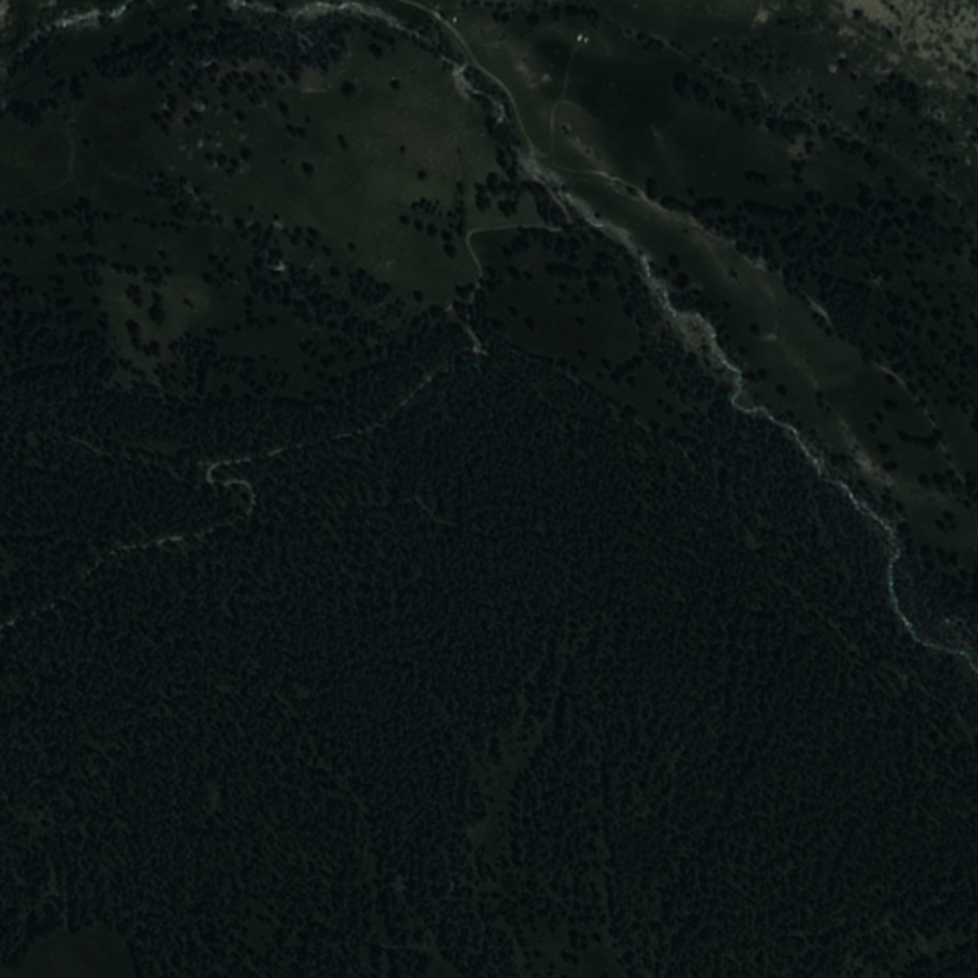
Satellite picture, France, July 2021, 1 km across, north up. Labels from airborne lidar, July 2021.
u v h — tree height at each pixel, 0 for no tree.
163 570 17
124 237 0
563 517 20
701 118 0
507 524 16
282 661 19
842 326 15
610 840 15
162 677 20
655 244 0
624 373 17
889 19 0
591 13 16
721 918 21
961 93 0
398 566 16
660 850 13
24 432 16
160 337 0
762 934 21
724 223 13
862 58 0
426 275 0
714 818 10
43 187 0
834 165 0
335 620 18
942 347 17
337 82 0
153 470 8
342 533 20
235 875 22
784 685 16
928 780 20
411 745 21
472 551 19
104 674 21
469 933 13
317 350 8
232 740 22
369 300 15
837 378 0
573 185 0
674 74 0
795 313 0
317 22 6
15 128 0
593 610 21
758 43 9
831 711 22
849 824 19
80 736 21
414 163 0
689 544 15
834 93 0
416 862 18
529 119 0
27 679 16
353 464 17
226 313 0
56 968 0
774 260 12
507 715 18
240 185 0
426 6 0
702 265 0
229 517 22
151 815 22
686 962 22
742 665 22
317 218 0
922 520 0
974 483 19
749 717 21
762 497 17
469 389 12
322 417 22
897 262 0
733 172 0
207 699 18
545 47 0
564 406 23
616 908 16
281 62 17
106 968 0
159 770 22
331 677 22
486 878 11
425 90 0
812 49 0
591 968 0
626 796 6
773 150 0
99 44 0
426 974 24
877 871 17
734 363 7
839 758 22
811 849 17
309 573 18
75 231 0
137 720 18
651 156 0
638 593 19
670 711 19
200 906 12
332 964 23
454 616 22
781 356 0
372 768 19
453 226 9
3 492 19
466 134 0
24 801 27
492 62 0
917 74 0
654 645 17
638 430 16
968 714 20
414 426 14
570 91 0
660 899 7
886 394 0
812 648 16
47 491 19
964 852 28
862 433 0
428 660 21
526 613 15
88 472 20
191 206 11
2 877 20
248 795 16
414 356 20
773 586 21
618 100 0
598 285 20
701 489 18
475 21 0
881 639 14
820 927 22
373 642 21
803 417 0
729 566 27
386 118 0
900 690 11
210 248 0
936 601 9
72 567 18
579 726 21
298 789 24
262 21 10
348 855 22
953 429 0
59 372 10
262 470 16
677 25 0
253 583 19
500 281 19
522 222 0
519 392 23
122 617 21
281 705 22
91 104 0
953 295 10
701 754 21
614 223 0
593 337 0
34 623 28
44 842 8
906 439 19
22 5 0
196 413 17
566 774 22
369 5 0
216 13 0
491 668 15
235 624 24
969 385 6
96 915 23
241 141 0
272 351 0
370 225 0
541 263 0
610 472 17
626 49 0
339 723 20
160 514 17
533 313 0
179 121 0
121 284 0
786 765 17
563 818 22
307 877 17
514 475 16
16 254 0
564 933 0
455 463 19
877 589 19
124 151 0
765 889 21
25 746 18
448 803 11
